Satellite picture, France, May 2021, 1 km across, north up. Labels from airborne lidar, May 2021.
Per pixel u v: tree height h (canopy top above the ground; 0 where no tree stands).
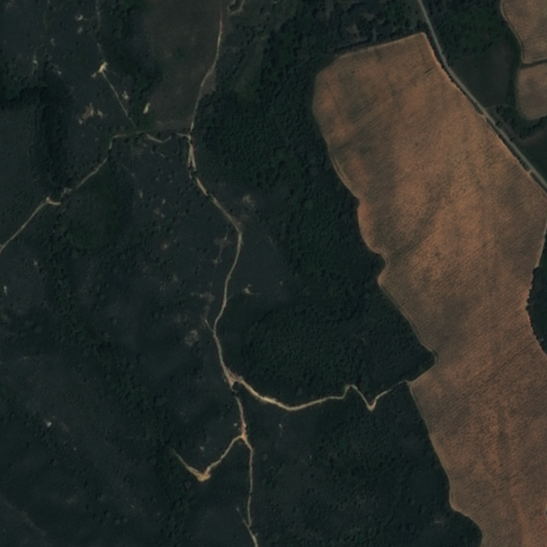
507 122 7
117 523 9
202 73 0
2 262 0
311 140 6
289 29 18
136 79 10
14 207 7
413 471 6
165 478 11
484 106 0
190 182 7
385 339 6
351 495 9
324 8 6
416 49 0
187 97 0
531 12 0
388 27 17
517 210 0
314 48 6
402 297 0
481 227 0
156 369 0
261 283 0
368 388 9
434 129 0
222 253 0
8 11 0
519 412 0
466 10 7
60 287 14
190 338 0
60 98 7
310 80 9
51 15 0
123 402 10
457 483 0
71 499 0
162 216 0
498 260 0
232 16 0
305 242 8
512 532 0
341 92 0
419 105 0
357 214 7
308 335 7
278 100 8
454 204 0
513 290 0
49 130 19
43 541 0
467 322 0
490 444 0
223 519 0
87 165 7
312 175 15
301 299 8
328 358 6
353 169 0
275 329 6
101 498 14
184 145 9
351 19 18
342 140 0
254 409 0
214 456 0
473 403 0
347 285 21
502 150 0
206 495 6
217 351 0
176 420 6
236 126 7
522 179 0
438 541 6
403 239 0
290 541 7
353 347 13
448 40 8
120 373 9
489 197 0
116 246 10
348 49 12
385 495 7
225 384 0
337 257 7
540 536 0
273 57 20
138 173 0
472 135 0
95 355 11
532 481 0
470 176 0
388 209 0
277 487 10
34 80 13
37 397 0
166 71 0
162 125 0
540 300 8
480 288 0
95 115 0
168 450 14
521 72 0
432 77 0
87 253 10
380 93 0
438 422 0
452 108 0
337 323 8
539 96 0
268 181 18
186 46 0
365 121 0
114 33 11
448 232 0
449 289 0
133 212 9
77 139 0
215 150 22
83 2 8
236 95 16
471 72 0
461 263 0
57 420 0
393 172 0
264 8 9
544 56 0
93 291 7
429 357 7
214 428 0
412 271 0
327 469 8
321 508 8
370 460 9
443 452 0
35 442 6
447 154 0
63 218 14
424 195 0
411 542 7
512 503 0
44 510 6
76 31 0
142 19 0
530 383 0
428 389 0
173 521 16
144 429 10
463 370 0
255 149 10
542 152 0
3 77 10
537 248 0
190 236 0
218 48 0
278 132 11
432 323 0
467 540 10
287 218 7
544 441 0
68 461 7
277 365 6
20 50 0
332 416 5
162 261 10
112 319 8
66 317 11
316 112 0
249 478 0
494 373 0
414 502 12
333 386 17
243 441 0
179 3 0
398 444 8
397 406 7
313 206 9
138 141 8
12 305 7
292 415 0
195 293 0
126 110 0
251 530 7
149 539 6
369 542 10
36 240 6
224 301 0
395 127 0
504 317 0
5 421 14
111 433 8
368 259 8
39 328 10
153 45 0
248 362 13
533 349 0
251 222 0
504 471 0
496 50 0
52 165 18
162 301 8
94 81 0
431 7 15
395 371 9
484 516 0
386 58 0
